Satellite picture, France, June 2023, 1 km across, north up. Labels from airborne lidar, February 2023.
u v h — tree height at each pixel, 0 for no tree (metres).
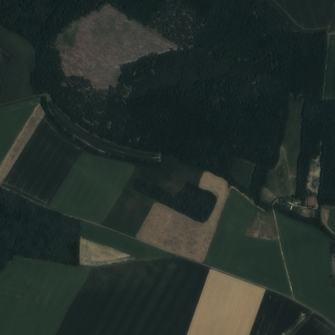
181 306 0
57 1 10
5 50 0
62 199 0
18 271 0
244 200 0
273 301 0
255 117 21
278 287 0
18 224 21
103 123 22
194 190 9
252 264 0
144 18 19
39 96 0
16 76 0
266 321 0
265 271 0
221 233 0
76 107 22
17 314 0
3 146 0
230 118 18
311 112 21
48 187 0
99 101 21
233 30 20
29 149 0
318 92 20
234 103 18
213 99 21
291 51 22
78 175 0
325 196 22
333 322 0
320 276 0
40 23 28
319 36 18
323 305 0
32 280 0
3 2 21
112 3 20
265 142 21
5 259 21
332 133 23
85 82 20
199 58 7
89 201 0
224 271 0
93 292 0
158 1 14
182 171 0
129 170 0
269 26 25
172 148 21
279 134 25
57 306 0
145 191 7
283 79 20
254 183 13
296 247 0
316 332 0
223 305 0
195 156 20
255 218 0
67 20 25
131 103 18
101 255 0
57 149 0
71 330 0
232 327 0
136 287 0
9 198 20
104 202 0
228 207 0
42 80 17
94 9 20
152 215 0
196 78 7
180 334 0
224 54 17
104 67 0
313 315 0
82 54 0
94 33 0
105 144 0
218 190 0
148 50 0
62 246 23
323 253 0
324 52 19
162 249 0
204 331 0
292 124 0
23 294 0
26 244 20
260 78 20
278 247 0
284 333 0
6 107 0
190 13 17
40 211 16
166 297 0
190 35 19
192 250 0
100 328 0
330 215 0
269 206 6
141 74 21
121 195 0
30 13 25
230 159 17
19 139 0
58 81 23
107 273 0
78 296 0
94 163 0
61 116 0
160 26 17
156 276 0
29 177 0
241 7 21
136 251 0
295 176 0
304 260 0
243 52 19
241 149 21
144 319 0
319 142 24
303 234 0
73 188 0
